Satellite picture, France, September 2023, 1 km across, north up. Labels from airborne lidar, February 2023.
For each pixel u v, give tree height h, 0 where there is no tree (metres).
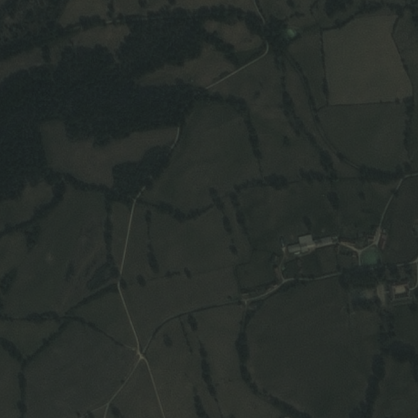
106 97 22
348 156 0
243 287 0
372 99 0
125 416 0
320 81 0
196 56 6
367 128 0
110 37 0
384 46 0
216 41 18
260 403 0
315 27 0
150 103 20
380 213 0
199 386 0
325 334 0
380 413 0
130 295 0
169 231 0
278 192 0
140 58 16
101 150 0
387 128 0
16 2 11
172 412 0
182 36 8
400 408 0
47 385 0
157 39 13
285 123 0
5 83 16
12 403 0
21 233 0
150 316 0
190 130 0
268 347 0
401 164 0
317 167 0
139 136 0
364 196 12
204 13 16
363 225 0
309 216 0
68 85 16
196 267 0
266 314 0
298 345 0
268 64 0
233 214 0
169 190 0
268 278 0
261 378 0
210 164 0
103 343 0
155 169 12
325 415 0
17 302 0
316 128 0
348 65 0
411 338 0
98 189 14
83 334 0
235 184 0
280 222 0
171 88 6
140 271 0
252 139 16
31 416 0
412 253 0
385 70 0
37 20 8
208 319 0
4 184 18
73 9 0
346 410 0
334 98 0
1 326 0
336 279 0
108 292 6
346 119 0
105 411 0
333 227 0
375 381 17
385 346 16
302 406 0
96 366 0
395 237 0
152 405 0
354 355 0
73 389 0
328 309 0
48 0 9
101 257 0
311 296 0
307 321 0
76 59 15
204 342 0
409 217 0
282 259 0
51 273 0
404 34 0
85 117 11
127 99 25
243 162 0
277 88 0
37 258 0
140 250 0
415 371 17
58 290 0
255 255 0
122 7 0
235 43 0
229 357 0
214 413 0
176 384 0
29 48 17
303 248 0
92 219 0
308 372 0
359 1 0
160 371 0
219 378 0
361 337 0
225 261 0
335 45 0
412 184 0
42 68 7
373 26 0
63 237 0
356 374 0
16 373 0
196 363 0
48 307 0
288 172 0
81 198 0
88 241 0
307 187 0
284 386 0
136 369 0
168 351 0
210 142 0
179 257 0
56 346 0
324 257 0
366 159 0
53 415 0
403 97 0
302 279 12
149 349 0
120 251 0
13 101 23
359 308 12
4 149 25
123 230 0
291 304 0
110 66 13
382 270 15
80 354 0
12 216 0
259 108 0
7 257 0
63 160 0
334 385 0
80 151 0
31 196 0
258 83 0
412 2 14
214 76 0
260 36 16
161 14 9
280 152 0
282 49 14
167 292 0
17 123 17
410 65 0
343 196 0
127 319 0
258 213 0
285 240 0
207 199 0
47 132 0
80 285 0
